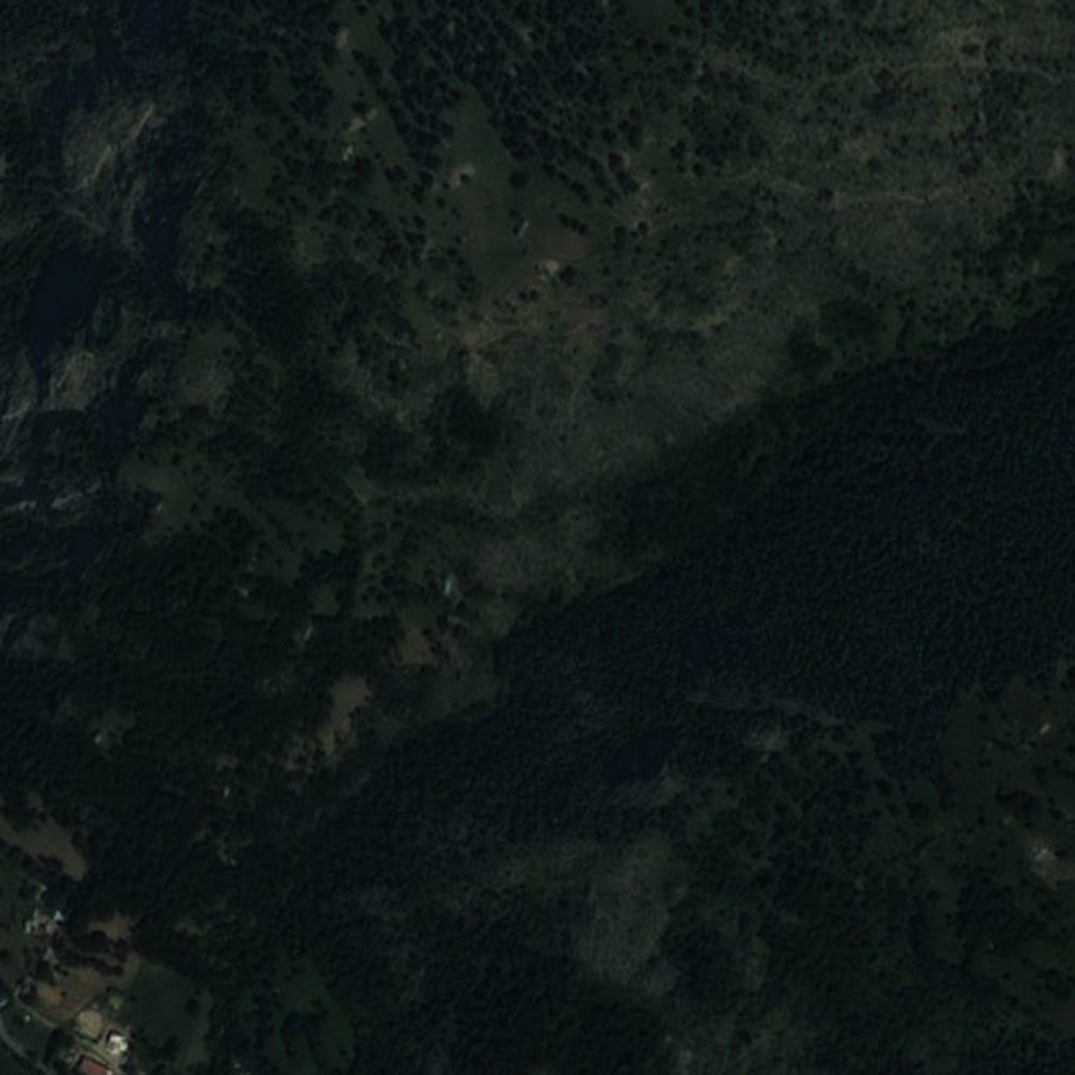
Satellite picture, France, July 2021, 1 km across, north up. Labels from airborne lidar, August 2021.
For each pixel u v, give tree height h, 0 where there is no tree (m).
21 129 10
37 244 9
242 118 7
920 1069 9
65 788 21
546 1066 15
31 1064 12
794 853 13
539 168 0
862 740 0
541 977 22
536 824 12
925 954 28
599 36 6
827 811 7
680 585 27
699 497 15
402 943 7
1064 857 11
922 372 16
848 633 11
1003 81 10
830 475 19
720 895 11
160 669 10
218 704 20
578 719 7
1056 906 9
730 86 12
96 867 19
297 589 10
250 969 23
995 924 14
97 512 6
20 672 18
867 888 8
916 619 27
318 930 8
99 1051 0
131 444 11
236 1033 18
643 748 8
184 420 6
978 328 12
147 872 15
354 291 7
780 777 10
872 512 25
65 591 8
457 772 12
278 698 6
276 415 8
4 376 0
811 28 6
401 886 11
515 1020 22
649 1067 6
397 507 5
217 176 6
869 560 28
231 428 9
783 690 11
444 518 10
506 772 20
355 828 17
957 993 8
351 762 13
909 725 27
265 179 0
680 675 6
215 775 11
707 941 21
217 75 20
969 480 31
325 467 9
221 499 0
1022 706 0
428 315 0
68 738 18
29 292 8
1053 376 30
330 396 20
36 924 0
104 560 7
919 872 8
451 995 9
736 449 15
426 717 6
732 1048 8
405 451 14
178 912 17
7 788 12
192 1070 8
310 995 0
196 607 9
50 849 0
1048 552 23
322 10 22
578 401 0
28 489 0
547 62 17
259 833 20
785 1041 6
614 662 14
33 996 15
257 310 23
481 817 11
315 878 18
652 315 0
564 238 0
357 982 14
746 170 0
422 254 8
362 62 18
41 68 6
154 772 12
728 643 20
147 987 0
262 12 22
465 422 16
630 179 17
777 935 11
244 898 10
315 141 8
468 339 0
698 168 13
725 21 6
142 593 12
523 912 23
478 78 10
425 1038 9
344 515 11
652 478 7
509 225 0
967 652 17
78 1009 0
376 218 23
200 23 5
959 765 12
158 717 19
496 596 7
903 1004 7
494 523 8
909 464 16
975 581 16
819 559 34
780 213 8
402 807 7
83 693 9
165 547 7
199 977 18
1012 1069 10
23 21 8
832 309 9
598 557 14
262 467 9
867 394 18
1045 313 9
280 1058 0
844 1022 14
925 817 18
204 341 0
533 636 16
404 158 0
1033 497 24
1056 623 13
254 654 19
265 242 16
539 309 0
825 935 8
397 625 10
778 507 21
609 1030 8
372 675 9
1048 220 14
